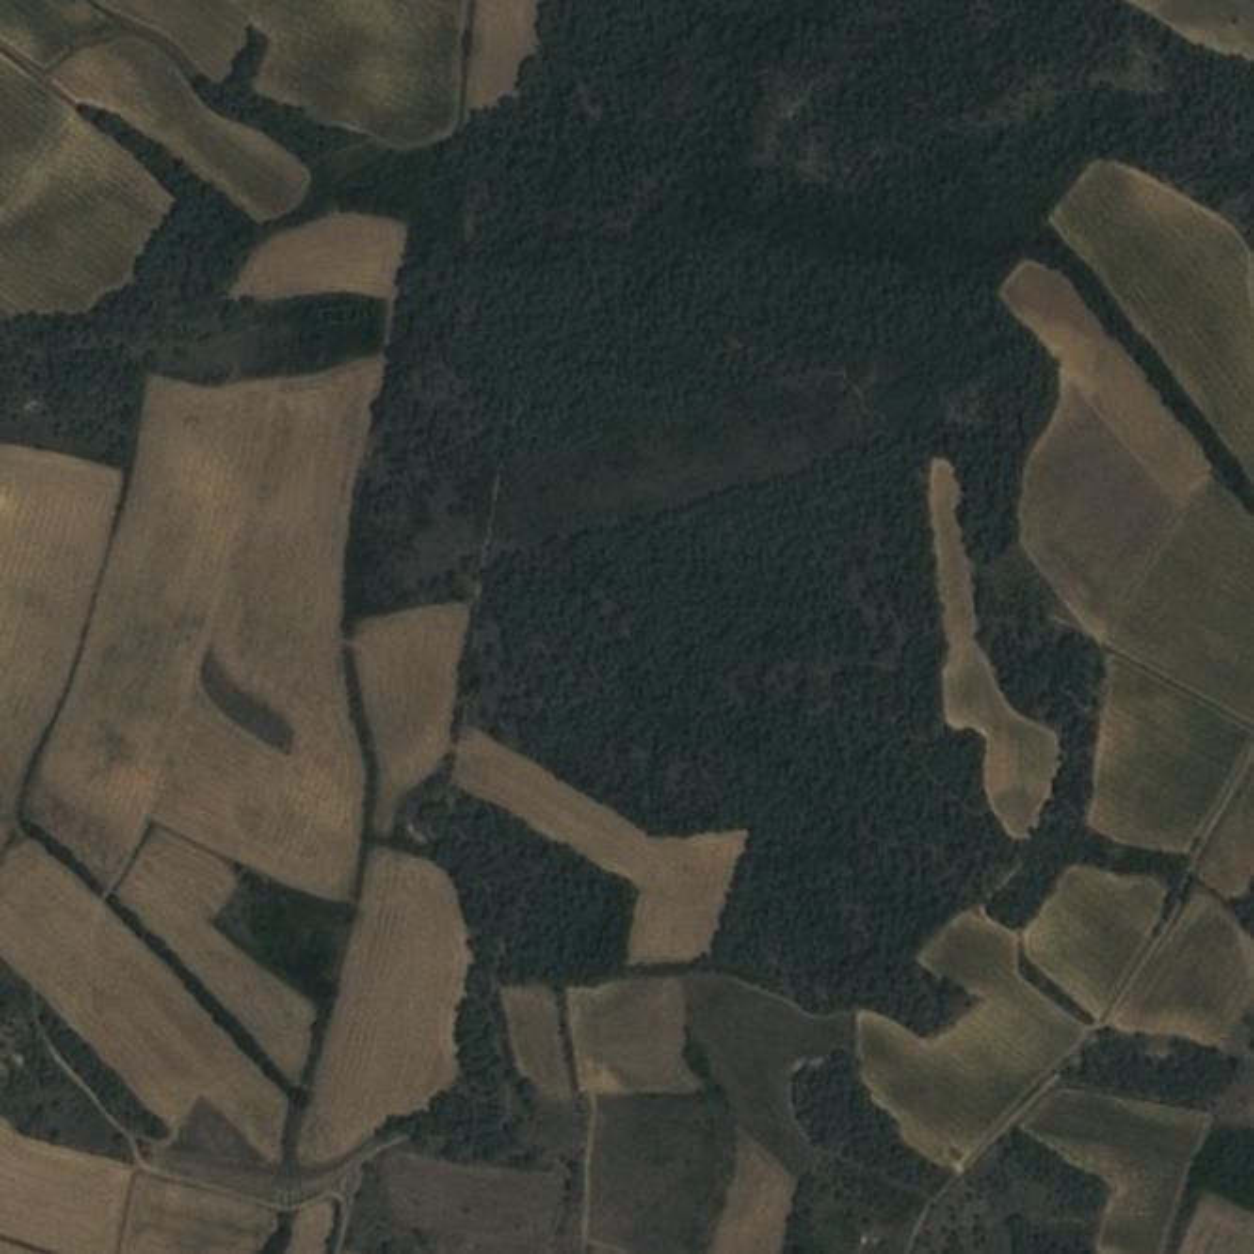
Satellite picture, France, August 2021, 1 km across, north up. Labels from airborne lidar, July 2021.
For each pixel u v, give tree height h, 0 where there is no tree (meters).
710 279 12
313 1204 0
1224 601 0
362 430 0
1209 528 0
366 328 6
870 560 10
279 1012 0
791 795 11
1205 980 0
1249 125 10
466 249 7
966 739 9
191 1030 0
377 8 0
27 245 0
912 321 14
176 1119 0
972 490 15
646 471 0
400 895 0
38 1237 0
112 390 9
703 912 0
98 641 0
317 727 0
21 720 0
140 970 0
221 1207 0
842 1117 7
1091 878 0
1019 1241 9
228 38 0
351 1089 0
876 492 13
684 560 10
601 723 14
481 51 0
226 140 0
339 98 0
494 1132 9
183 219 15
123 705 0
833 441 0
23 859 0
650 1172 0
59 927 0
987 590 13
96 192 0
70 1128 0
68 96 0
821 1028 0
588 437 8
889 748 12
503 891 8
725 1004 0
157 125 0
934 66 13
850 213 11
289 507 0
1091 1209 8
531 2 0
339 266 0
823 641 13
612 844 0
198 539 0
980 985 0
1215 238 0
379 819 0
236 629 0
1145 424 0
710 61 14
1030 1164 8
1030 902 12
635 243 13
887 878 13
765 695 7
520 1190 0
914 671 12
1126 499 0
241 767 0
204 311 9
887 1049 0
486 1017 9
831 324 15
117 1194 0
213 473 0
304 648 0
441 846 11
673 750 13
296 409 0
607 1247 0
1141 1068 12
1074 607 0
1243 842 0
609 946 14
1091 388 0
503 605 11
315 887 0
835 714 11
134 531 0
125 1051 0
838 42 8
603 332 9
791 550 12
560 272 12
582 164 16
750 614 12
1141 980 0
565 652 17
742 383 8
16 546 0
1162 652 0
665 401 8
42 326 14
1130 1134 0
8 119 0
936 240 9
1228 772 0
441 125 0
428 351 10
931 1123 0
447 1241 0
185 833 0
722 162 16
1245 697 0
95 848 0
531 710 12
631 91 6
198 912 0
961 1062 0
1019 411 15
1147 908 0
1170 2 0
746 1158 0
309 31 0
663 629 10
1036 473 0
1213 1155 6
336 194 8
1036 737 0
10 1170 0
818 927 14
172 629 0
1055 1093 0
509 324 14
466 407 9
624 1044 0
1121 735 0
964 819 16
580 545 13
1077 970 0
